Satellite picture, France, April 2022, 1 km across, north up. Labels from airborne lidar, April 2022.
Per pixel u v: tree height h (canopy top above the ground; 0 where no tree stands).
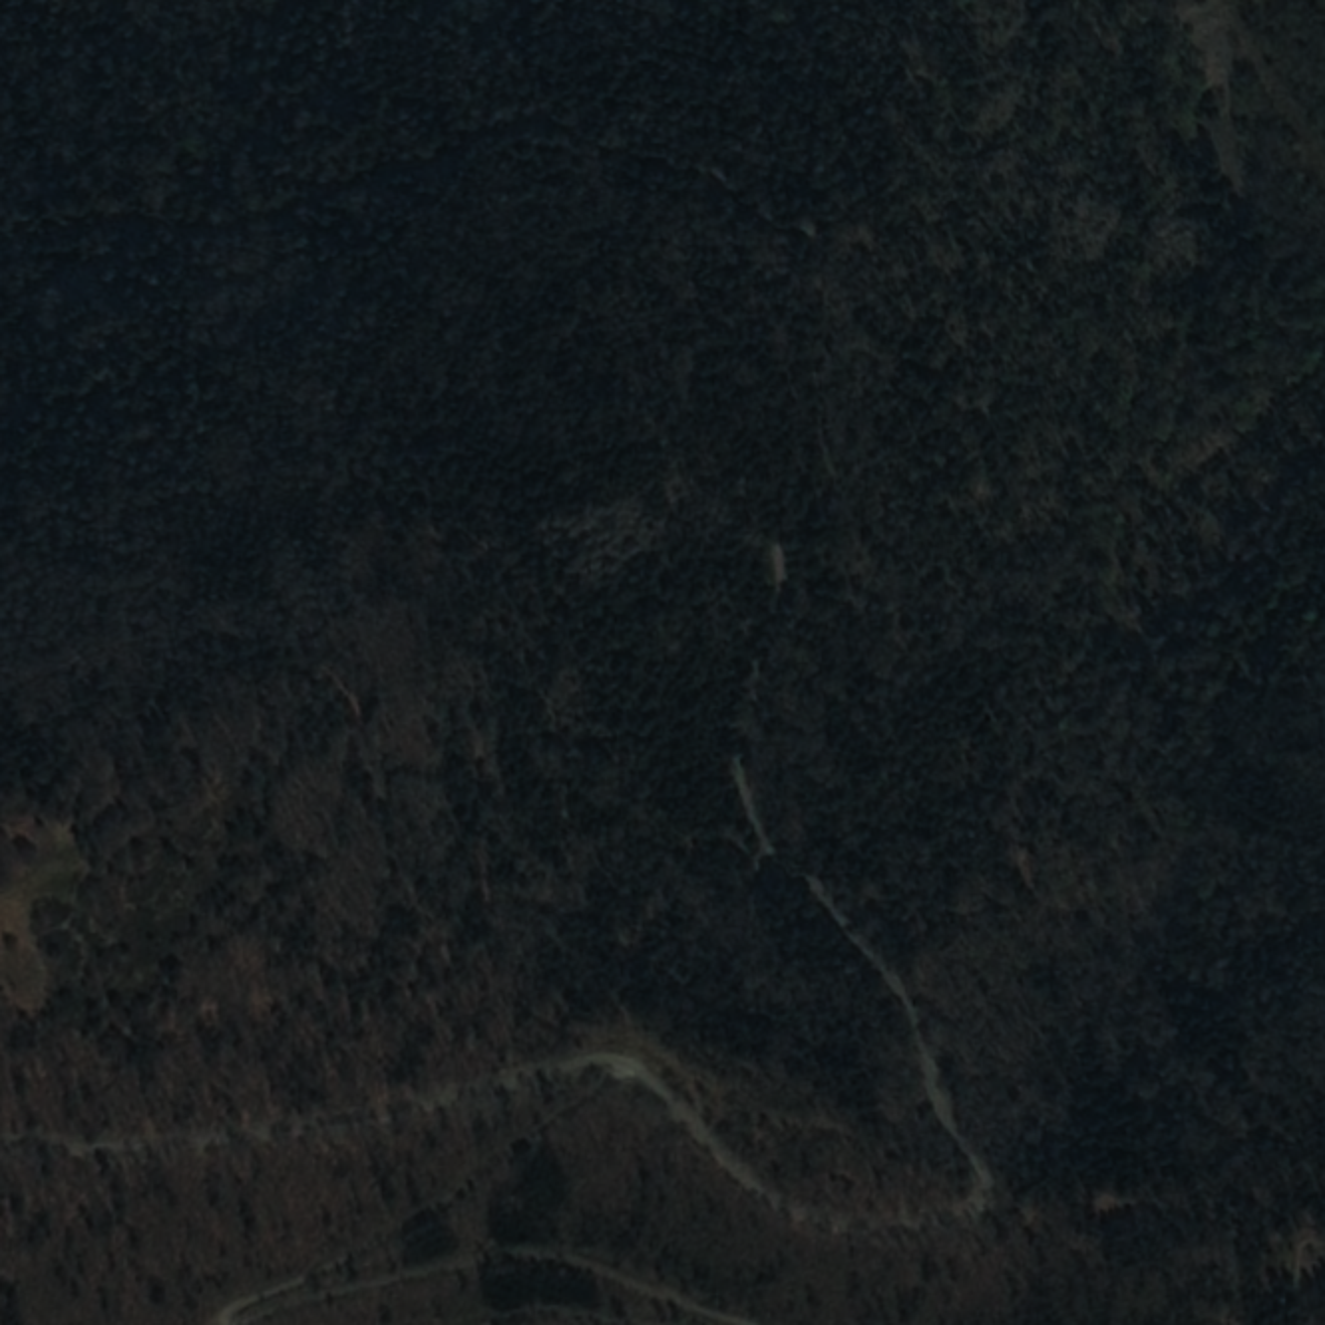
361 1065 21
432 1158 14
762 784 24
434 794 23
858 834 24
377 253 35
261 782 14
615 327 15
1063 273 21
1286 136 26
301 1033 16
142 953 0
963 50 25
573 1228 14
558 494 26
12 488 32
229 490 20
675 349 24
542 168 32
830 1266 16
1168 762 28
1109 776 36
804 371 33
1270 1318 21
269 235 32
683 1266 17
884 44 25
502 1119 14
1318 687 26
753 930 21
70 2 14
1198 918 25
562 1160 16
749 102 37
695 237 23
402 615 22
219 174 34
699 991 17
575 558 25
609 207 29
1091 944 26
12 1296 15
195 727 15
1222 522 18
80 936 0
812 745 31
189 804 16
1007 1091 19
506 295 24
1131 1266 12
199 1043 12
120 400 26
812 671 20
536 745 25
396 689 18
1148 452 22
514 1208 15
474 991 17
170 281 14
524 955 18
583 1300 13
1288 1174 16
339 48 21
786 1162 15
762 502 24
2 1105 18
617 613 25
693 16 28
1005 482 36
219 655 28
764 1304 15
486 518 18
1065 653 16
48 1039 11
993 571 35
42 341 32
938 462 9
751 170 34
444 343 25
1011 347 29
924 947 26
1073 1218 16
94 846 15
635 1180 14
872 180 29
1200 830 26
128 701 17
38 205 36
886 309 22
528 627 22
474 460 26
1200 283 27
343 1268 7
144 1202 15
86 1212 15
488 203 29
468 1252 11
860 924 33
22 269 33
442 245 26
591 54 35
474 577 21
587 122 29
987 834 30
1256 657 7
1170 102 26
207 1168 11
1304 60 24
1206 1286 14
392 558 16
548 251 29
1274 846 27
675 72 21
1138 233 20
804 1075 15
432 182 31
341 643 17
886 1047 21
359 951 12
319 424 21
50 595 23
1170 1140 17
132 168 28
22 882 0
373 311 27
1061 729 33
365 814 13
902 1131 13
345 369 27
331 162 19
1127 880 19
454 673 20
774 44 36
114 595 22
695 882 17
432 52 27
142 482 30
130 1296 15
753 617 27
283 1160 18
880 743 26
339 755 18
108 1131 17
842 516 31
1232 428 36
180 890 0
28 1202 22
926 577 31
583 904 14
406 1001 13
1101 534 41
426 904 15
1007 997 24
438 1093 15
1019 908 24
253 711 19
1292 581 27
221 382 32
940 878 27
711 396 29
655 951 16
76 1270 13
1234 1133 12
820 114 23
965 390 10
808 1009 24
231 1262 14
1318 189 30
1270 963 27
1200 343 25
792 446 23
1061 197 18
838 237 29
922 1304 17
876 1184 14
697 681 13
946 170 31
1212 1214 17
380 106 32
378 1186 15
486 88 27
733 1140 15
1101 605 28
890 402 20
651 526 30
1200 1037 30
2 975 0
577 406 30
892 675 23
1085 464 27
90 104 34
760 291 21
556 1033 15
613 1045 0
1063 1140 21
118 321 24
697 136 32
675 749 17
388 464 17
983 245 27
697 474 27
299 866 20
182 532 15
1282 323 30
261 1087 18
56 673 22
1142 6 12
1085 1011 29
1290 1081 23
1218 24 0
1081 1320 16
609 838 16
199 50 35
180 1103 14
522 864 19
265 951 13
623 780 17
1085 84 19
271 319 33
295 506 18
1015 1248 16
